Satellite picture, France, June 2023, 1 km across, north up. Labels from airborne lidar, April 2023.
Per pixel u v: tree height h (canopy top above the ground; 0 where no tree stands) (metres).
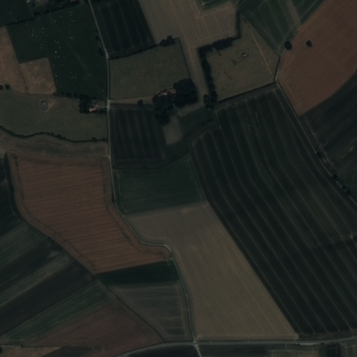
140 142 0
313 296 0
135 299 0
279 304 0
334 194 0
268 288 0
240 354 0
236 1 0
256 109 0
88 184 0
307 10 0
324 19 0
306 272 0
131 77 0
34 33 0
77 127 0
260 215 0
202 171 0
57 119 0
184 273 0
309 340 0
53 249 0
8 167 0
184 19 0
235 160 0
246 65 0
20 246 0
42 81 0
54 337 0
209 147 0
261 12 0
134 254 0
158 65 0
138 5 0
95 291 0
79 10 0
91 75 0
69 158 0
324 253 0
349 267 0
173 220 0
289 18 0
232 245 0
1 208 0
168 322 0
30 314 0
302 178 0
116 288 0
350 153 0
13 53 0
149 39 0
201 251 0
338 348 0
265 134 0
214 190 0
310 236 0
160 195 0
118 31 0
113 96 0
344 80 0
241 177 0
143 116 0
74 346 0
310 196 0
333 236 0
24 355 0
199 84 0
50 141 0
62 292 0
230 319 0
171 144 0
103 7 0
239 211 0
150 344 0
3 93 0
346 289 0
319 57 0
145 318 0
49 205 0
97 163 0
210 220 0
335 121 0
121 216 0
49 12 10
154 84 0
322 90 0
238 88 0
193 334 0
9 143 0
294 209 0
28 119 0
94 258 0
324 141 0
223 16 0
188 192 0
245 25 0
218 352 0
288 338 0
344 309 0
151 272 0
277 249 0
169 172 0
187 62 0
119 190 0
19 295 0
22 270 0
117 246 0
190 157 0
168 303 0
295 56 0
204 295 0
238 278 0
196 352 0
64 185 0
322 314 0
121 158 0
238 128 0
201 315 0
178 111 0
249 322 0
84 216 0
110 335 0
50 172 0
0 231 0
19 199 0
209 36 0
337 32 0
